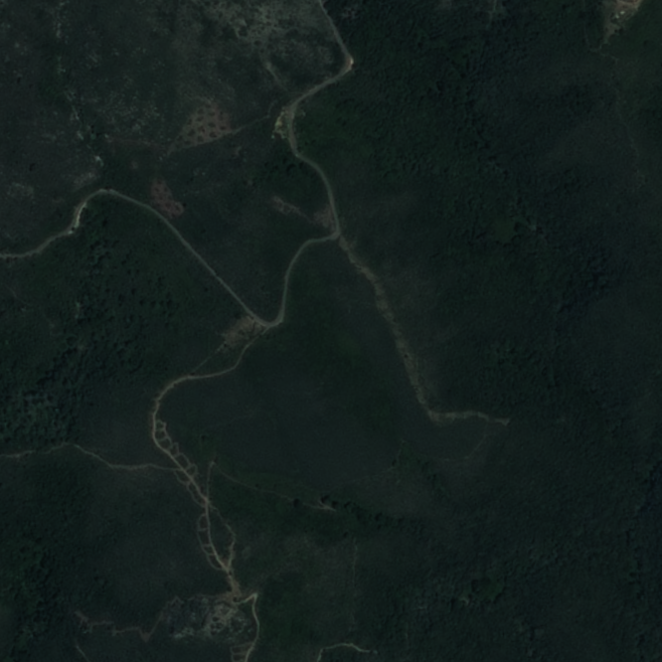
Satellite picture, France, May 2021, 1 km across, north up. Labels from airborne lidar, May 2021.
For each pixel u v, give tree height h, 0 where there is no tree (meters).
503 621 9
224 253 0
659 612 19
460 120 18
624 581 17
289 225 0
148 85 0
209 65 0
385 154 14
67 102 6
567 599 6
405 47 14
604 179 7
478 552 10
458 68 26
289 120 0
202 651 0
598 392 25
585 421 18
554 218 12
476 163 14
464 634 13
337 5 11
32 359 7
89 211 11
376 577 6
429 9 8
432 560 9
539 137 10
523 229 20
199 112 0
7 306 7
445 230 7
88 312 17
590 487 9
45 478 8
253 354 0
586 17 10
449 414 0
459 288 10
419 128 8
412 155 14
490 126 12
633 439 12
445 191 10
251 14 0
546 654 17
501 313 7
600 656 6
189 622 0
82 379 5
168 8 0
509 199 22
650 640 21
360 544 6
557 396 18
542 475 8
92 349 11
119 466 0
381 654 9
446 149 11
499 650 8
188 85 0
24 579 8
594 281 15
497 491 9
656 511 16
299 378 0
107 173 7
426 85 9
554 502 12
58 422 15
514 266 21
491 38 20
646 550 17
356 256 0
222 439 0
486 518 11
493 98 9
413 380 0
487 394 12
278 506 0
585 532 16
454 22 9
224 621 0
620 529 25
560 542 10
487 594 6
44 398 17
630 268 10
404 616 17
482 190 13
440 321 6
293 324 0
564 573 15
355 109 11
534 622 14
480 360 9
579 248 19
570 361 14
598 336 7
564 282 25
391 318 0
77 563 13
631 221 6
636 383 9
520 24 16
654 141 7
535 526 18
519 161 16
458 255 12
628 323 6
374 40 11
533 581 9
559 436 12
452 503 11
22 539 7
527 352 16
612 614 10
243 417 0
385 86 9
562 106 15
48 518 6
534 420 9
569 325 14
